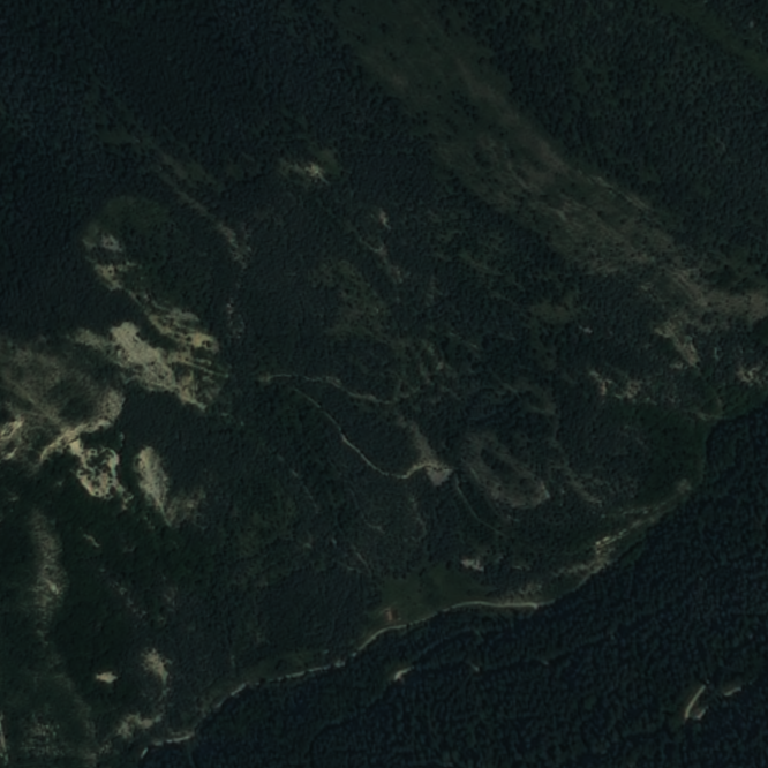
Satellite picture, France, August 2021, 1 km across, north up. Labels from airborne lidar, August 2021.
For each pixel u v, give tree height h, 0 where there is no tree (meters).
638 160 14
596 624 23
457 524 11
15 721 7
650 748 16
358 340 13
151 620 17
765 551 17
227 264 12
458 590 0
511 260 8
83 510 15
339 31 8
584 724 11
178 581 11
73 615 13
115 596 9
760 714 13
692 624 28
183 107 22
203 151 13
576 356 15
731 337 7
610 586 21
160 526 8
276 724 16
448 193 7
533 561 7
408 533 9
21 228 24
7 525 14
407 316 15
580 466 12
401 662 14
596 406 10
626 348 15
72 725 6
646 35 11
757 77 12
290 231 9
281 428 16
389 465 15
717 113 9
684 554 18
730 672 10
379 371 14
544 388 15
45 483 11
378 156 15
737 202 11
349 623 12
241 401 13
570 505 10
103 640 15
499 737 18
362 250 11
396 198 16
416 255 12
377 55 0
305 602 14
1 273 18
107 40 15
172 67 21
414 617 0
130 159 6
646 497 14
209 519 12
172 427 11
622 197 7
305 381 14
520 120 0
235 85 16
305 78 12
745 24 7
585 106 13
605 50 6
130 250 9
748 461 21
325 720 22
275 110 16
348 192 17
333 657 9
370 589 7
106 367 6
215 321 14
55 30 15
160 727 5
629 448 11
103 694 15
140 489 9
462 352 11
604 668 28
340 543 12
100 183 13
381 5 0
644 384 7
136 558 9
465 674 19
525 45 17
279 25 8
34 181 24
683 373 8
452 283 14
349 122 11
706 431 14
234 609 12
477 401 13
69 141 9
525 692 23
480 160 10
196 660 14
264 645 7
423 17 0
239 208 16
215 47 24
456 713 23
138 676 13
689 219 7
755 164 14
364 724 21
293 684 14
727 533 21
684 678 26
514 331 11
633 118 10
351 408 10
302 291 10
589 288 10
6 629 11
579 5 7
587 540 15
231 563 8
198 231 18
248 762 21
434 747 25
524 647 28
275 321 7
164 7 21
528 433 18
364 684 18
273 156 15
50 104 13
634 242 0
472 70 0
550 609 15
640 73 11
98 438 10
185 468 13
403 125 10
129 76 19
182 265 10
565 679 9
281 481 14
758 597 24
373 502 8
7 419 13
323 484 21
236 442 21
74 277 23
